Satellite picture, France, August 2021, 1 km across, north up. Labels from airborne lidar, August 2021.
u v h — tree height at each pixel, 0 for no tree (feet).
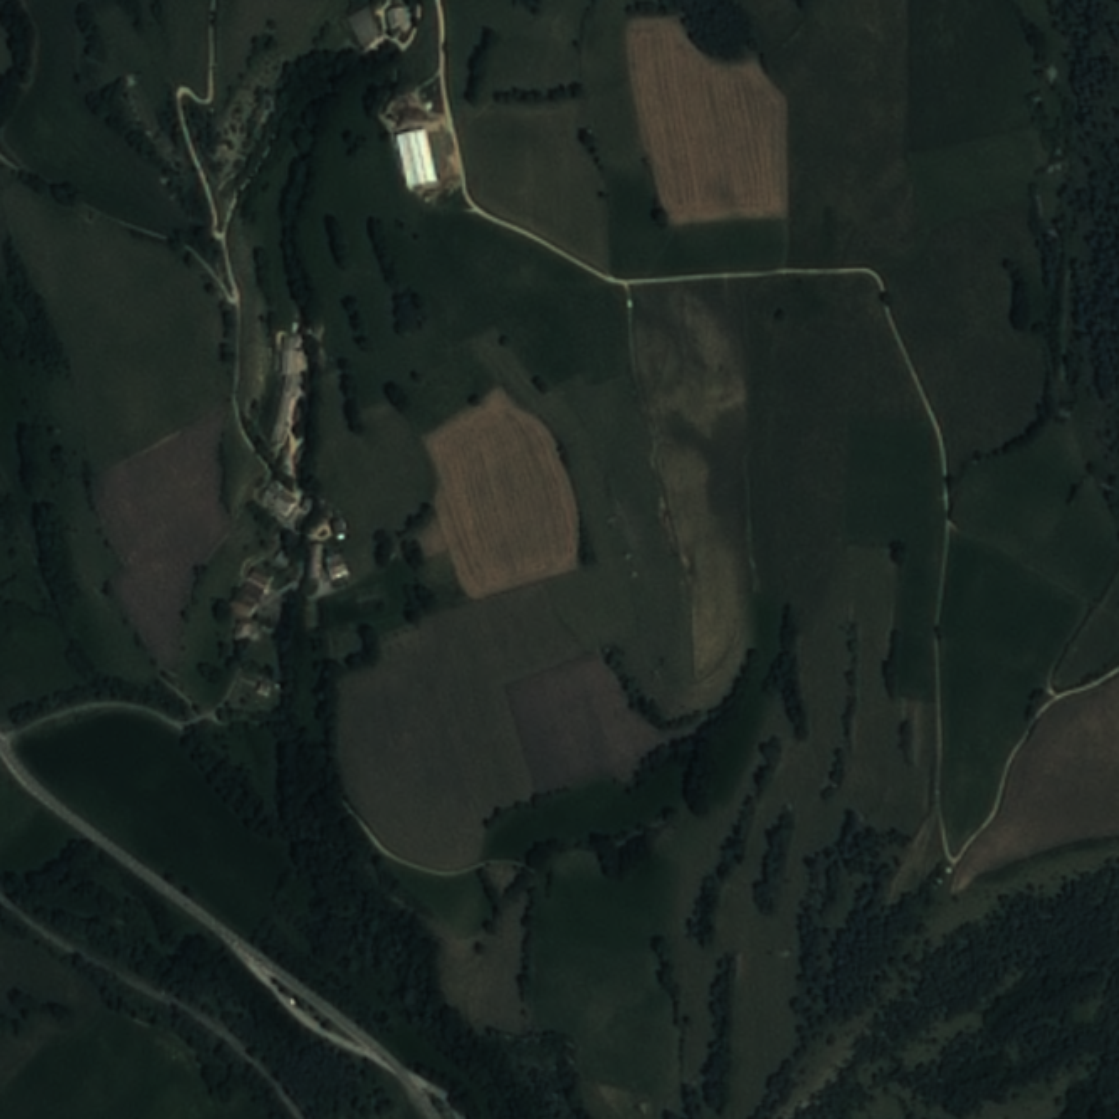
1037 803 0
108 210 0
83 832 0
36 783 0
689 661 0
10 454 0
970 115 0
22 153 0
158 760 0
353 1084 25
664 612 0
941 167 0
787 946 0
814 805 0
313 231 0
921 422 0
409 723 0
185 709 31
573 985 0
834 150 0
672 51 0
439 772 0
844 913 0
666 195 0
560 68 0
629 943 0
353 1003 43
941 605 0
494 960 0
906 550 23
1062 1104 23
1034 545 0
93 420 0
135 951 29
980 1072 20
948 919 0
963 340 0
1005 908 31
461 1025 66
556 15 0
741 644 0
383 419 0
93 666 21
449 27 0
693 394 0
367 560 0
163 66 0
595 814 0
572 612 0
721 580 0
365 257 0
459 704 0
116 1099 0
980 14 0
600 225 0
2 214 0
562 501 0
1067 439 0
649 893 0
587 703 0
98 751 0
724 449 0
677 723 19
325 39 21
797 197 0
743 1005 0
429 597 25
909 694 0
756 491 0
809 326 0
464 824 0
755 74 0
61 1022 49
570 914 0
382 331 0
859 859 28
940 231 0
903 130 0
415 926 45
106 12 0
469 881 0
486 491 0
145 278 0
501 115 0
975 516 0
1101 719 0
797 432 0
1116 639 0
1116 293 42
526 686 0
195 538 0
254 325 0
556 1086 20
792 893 0
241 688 0
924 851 0
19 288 28
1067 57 21
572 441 0
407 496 0
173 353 0
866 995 33
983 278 0
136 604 0
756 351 0
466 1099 57
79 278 0
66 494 0
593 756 0
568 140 0
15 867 0
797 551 0
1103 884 25
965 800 0
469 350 0
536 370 0
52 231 0
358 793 0
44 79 0
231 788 42
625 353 0
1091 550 0
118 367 0
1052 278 28
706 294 0
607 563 0
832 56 0
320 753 61
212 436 0
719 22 40
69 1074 0
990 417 0
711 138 0
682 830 0
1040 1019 34
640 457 0
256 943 28
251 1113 0
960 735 0
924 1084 33
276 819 46
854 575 0
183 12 0
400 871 0
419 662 0
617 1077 0
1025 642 0
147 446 0
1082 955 52
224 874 0
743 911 0
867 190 0
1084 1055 43
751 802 22
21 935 34
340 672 54
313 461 50
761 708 0
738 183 0
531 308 0
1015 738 0
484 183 0
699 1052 0
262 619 22
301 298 70
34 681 0
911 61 0
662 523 0
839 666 0
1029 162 0
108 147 0
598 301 0
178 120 22
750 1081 0
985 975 37
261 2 0
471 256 0
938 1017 22
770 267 0
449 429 0
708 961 0
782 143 0
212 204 0
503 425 0
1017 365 0
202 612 0
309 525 33
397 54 43
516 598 0
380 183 0
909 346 0
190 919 0
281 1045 48
